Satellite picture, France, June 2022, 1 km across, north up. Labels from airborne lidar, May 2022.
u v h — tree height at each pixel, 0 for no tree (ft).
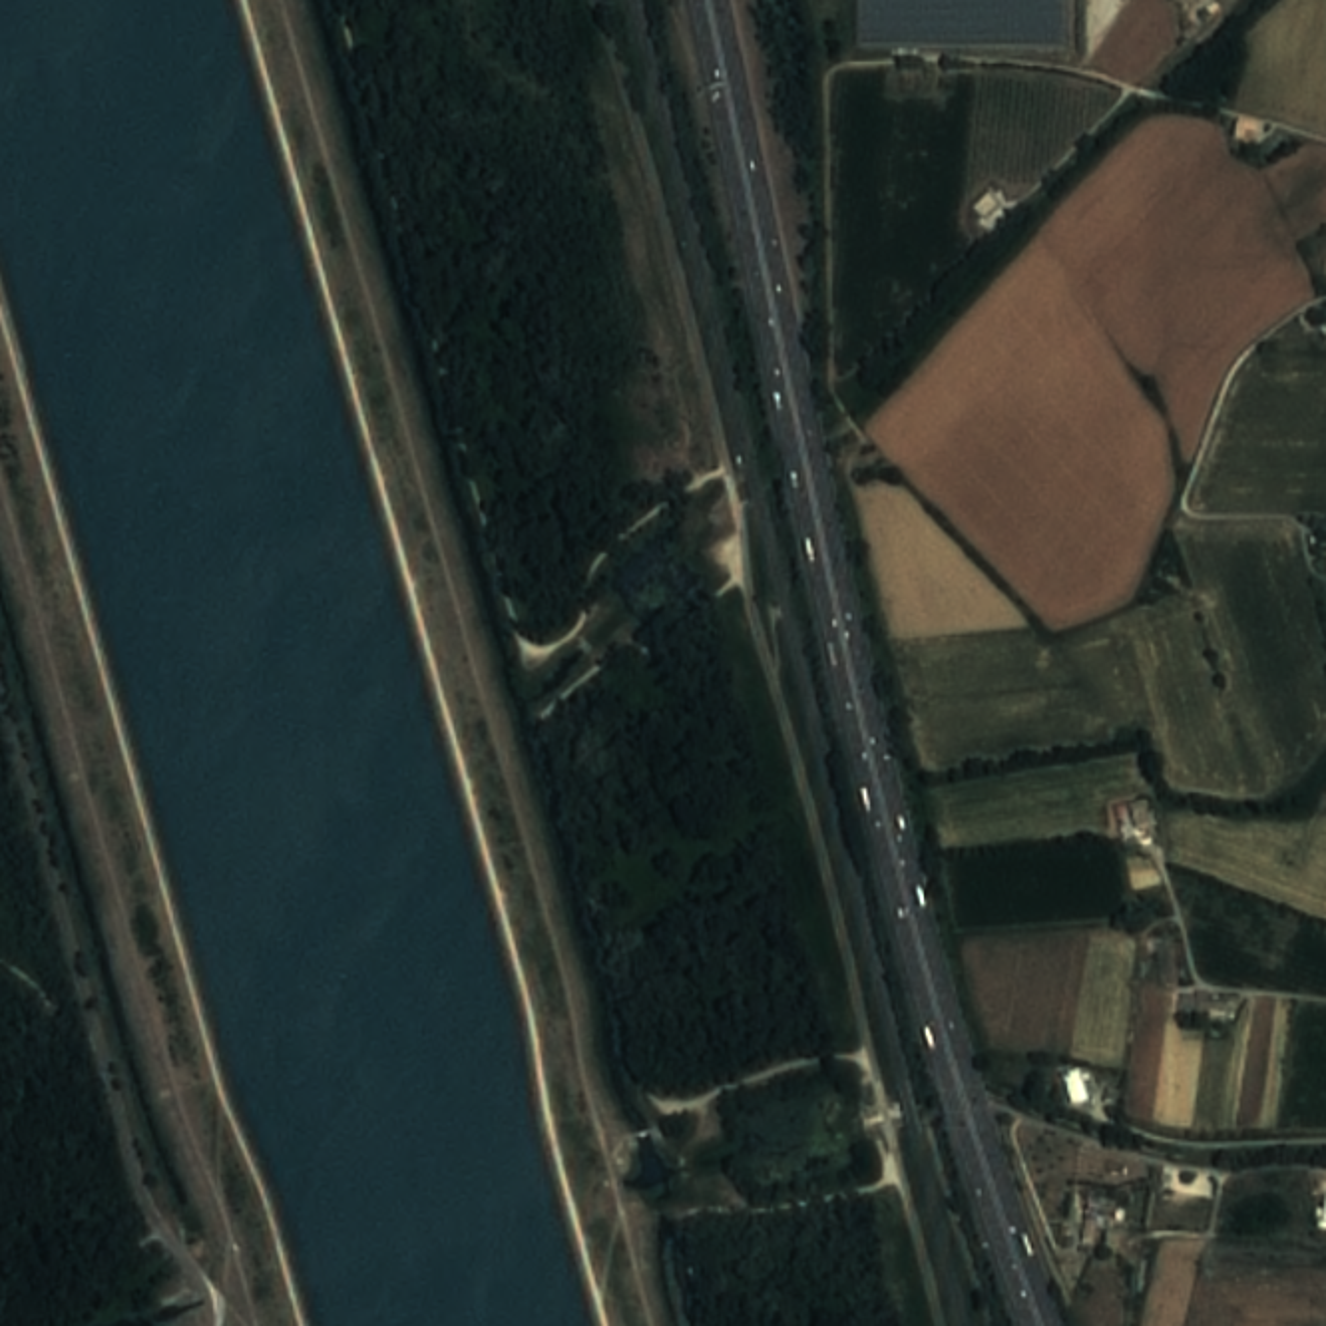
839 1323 61
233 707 0
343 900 0
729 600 0
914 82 0
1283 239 0
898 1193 0
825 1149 0
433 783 0
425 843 0
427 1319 0
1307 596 0
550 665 0
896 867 0
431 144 73
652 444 0
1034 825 0
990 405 0
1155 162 0
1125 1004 0
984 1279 20
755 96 0
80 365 0
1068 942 0
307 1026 0
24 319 0
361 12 62
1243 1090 0
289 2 0
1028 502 0
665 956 77
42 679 0
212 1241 0
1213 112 30
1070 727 0
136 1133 0
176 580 0
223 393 0
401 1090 0
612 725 65
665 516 39
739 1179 47
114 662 0
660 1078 72
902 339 33
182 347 0
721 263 31
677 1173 0
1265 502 0
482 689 0
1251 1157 32
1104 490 0
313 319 0
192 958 0
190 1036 0
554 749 64
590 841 87
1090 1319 0
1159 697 0
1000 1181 0
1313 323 45
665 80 33
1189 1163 0
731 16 0
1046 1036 0
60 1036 70
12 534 0
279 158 0
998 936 0
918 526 0
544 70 57
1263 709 0
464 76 33
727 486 0
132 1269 74
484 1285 0
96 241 0
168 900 0
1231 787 0
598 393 53
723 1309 73
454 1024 0
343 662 0
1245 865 0
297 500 0
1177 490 0
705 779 84
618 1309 0
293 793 0
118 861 0
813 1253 55
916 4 0
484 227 68
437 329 78
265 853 0
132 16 0
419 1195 0
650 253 0
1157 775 70
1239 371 0
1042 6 0
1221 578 0
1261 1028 0
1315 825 0
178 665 0
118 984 0
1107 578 0
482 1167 0
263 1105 0
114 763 0
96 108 0
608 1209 0
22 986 30
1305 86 0
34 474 0
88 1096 70
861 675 0
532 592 20
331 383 0
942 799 0
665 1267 0
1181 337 0
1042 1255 0
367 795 0
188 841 0
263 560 0
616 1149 0
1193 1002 0
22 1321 74
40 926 48
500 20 33
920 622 0
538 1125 0
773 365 0
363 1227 0
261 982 0
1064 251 0
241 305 0
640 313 20
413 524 0
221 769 0
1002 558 0
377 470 0
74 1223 92
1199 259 0
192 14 0
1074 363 0
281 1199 0
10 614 0
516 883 0
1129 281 0
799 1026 75
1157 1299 0
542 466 93
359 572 0
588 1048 0
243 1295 0
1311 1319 0
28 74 0
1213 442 0
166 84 0
